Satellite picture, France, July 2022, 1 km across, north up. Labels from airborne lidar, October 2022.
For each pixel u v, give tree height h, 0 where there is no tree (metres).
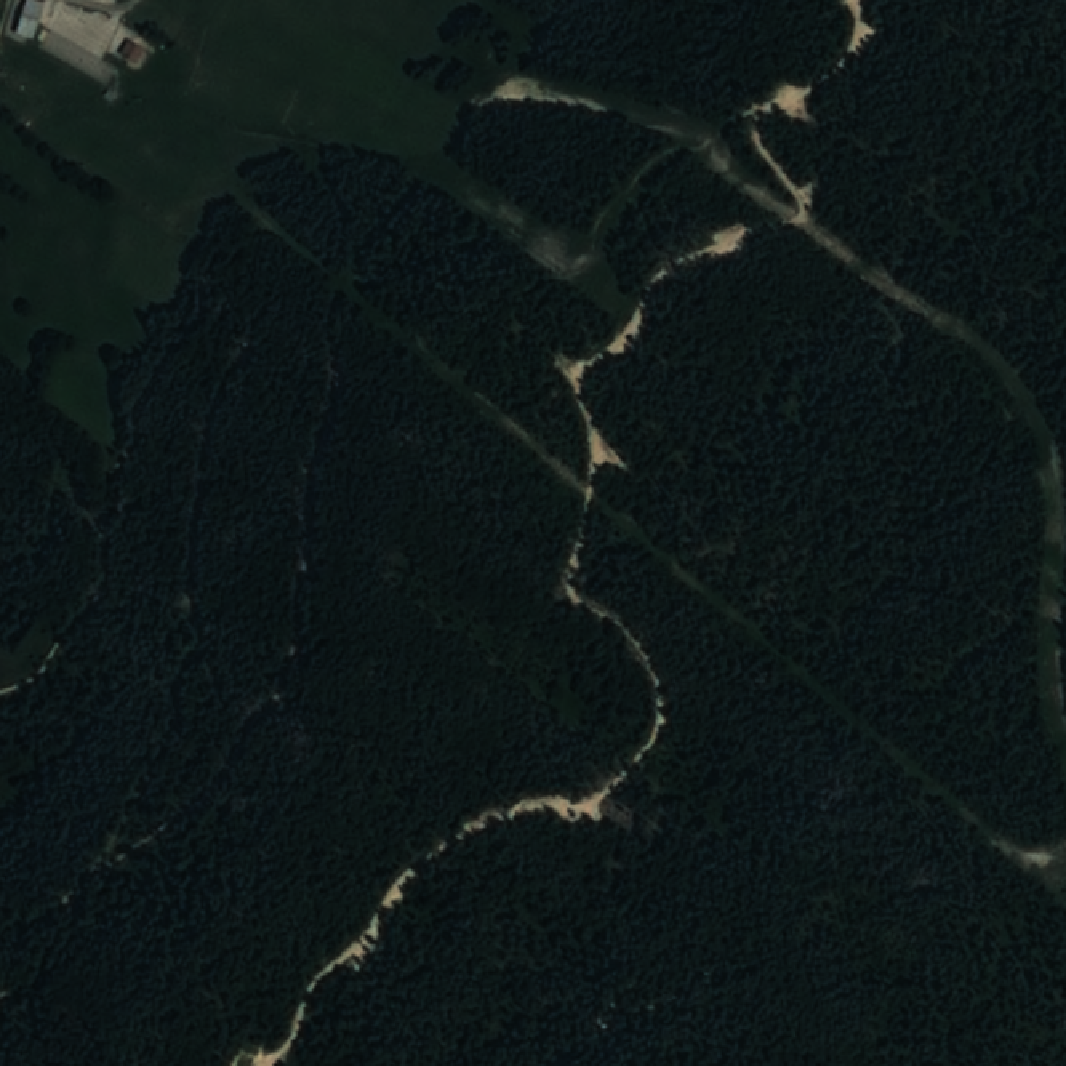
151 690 28
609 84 19
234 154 0
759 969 17
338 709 23
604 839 19
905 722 17
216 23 0
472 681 19
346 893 22
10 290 0
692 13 20
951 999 25
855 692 20
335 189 23
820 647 19
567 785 27
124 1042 13
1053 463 0
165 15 0
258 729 27
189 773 25
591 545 16
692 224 24
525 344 11
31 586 32
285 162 16
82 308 0
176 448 23
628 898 26
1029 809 20
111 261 0
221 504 25
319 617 26
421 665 17
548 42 32
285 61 0
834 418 24
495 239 21
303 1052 21
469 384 15
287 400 26
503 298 9
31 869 23
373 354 25
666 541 15
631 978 22
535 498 18
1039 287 13
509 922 17
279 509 25
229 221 23
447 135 0
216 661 35
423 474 28
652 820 28
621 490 18
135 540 18
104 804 27
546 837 20
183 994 24
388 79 0
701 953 16
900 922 18
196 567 24
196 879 17
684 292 19
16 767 8
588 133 23
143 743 25
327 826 21
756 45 19
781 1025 18
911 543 32
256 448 22
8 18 0
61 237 0
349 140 0
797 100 0
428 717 17
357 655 22
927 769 10
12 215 0
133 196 0
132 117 0
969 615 22
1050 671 0
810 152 16
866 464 24
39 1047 27
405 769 25
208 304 23
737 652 16
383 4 0
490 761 19
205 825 19
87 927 25
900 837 17
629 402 19
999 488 19
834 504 30
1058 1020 23
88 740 26
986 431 28
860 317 23
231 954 23
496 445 18
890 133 17
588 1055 18
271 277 18
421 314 28
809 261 23
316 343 28
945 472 24
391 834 21
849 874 7
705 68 22
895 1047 14
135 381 25
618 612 22
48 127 0
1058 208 26
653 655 23
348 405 32
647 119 0
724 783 23
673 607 15
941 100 24
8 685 0
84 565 31
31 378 14
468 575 22
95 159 0
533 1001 26
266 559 22
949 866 31
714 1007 12
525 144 24
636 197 0
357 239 31
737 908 18
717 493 20
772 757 17
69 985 29
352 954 0
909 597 22
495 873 14
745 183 0
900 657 22
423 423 11
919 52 19
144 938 35
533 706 25
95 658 22
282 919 15
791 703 19
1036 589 19
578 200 27
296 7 0
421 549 24
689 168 18
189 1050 16
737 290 20
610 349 0
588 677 19
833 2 21
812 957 21
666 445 12
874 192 14
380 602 19
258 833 14
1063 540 0
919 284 19
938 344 21
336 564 25
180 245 0
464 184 0
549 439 19
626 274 14
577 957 22
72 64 0
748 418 34
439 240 33
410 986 23
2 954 28
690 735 21
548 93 0
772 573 17
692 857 20
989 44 19
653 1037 20
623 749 15
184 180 0
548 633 23
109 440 0
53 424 28
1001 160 23
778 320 10
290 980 26
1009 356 15
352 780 23
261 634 16
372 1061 11
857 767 13
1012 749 23
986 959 17
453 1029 24
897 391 20
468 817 25
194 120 0
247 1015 13
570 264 0
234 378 27
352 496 31
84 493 27
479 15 27
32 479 26
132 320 0
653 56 17
